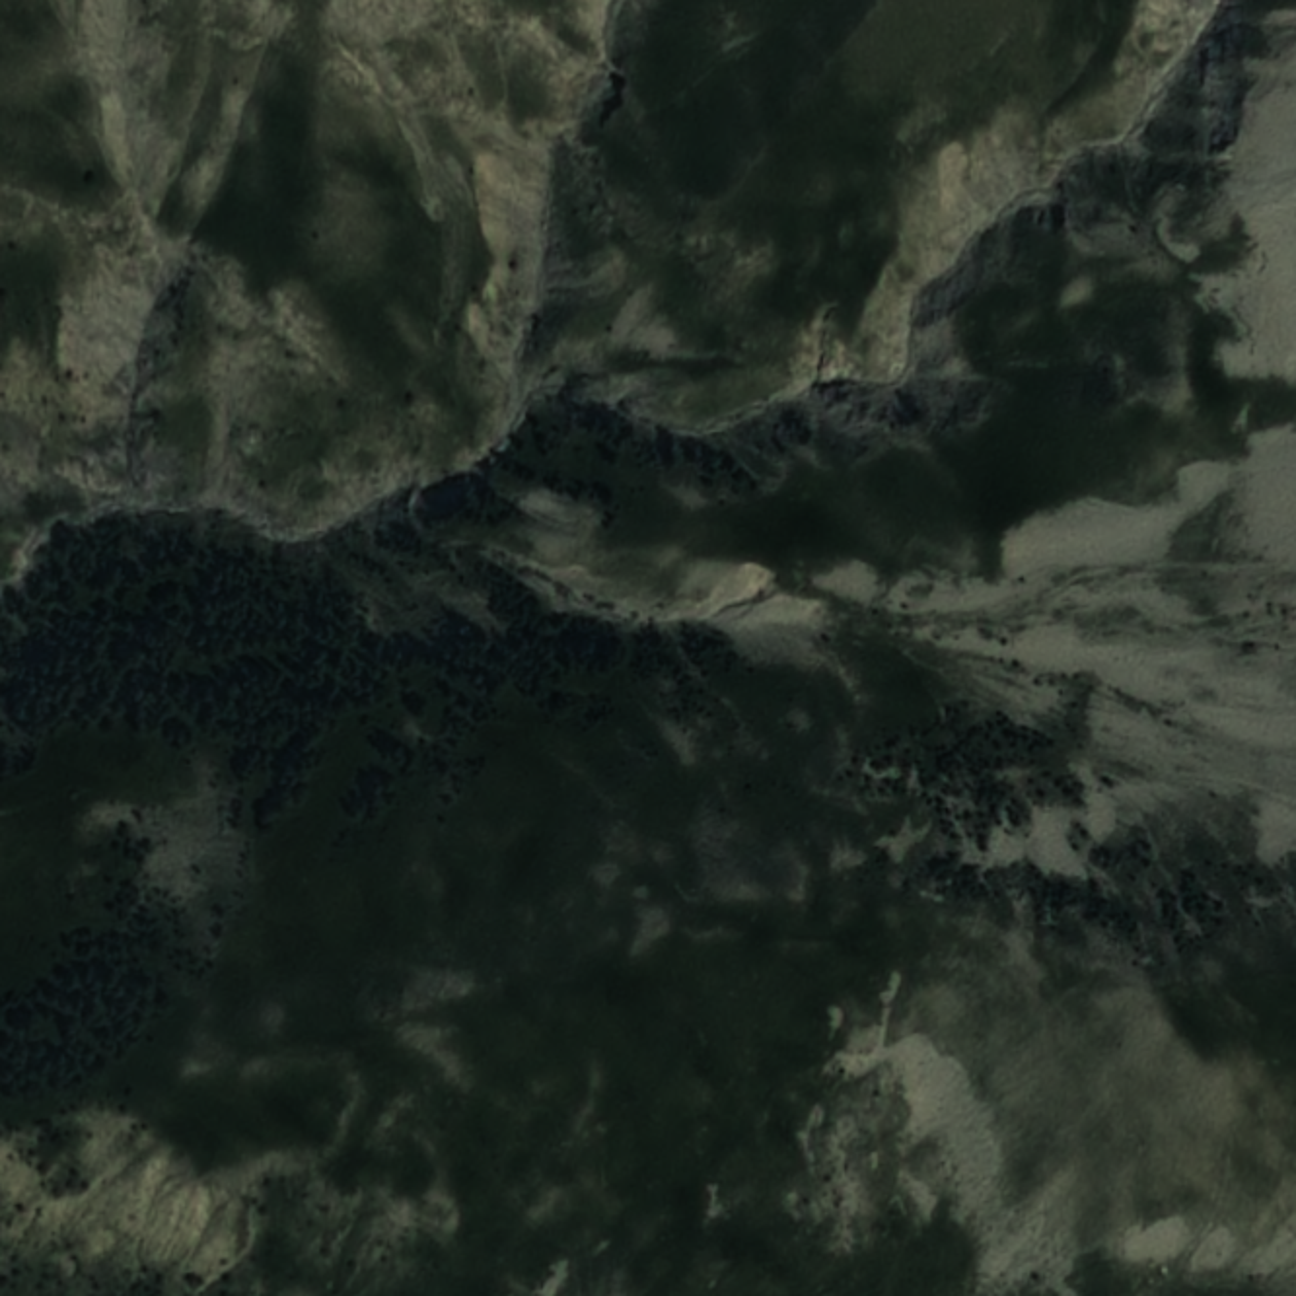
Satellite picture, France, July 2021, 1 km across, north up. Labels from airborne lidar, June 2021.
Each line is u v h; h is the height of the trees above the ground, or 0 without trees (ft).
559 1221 0
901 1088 0
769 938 0
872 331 0
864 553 0
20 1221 0
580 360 0
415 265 0
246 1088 0
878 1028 0
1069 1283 0
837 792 0
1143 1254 0
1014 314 0
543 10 0
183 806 0
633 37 0
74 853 0
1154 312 0
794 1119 0
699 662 31
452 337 0
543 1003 0
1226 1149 0
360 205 0
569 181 0
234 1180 0
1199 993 0
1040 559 0
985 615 0
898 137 0
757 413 0
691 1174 0
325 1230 0
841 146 0
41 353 0
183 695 72
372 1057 0
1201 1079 0
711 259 0
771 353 0
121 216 0
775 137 0
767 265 0
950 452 0
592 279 0
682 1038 0
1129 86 0
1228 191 0
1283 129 0
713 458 49
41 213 0
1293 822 0
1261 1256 0
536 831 0
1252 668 0
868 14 0
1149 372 0
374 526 0
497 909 0
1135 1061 0
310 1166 0
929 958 0
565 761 0
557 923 0
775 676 0
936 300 0
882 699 0
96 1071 66
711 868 0
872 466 0
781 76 0
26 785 0
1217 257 0
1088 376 0
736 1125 0
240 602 99
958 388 0
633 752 0
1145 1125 0
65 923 0
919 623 0
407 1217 0
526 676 91
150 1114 0
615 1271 0
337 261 0
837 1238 0
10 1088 55
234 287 0
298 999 0
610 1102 0
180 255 0
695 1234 0
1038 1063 0
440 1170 0
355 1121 0
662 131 0
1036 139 0
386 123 0
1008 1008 0
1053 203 0
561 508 0
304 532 0
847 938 0
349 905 0
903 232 0
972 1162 0
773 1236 0
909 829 0
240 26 0
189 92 0
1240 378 0
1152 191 0
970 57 0
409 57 0
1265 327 0
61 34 0
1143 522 0
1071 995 0
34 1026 83
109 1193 0
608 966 0
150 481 0
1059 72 0
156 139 0
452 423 0
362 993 0
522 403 0
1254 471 0
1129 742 0
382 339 0
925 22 0
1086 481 0
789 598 0
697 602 0
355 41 0
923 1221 0
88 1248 0
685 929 0
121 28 0
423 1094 0
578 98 0
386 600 0
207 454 0
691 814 0
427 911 0
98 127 0
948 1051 0
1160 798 0
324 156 0
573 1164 0
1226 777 0
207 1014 0
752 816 0
